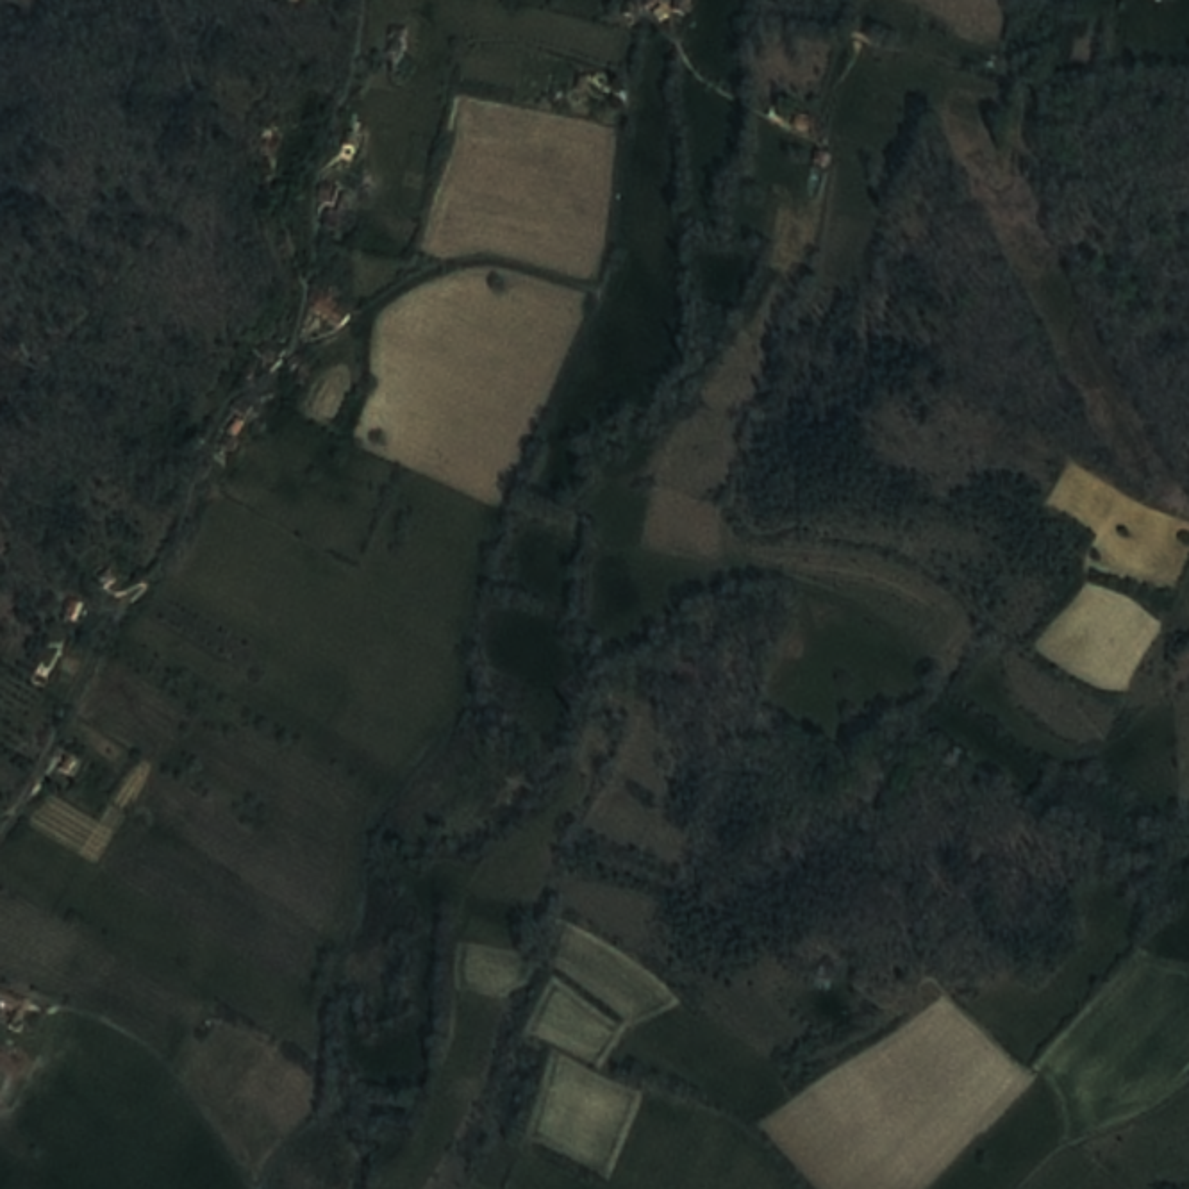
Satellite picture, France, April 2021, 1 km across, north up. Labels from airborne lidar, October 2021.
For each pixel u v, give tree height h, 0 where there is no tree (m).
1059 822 26
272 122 7
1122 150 23
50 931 0
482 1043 0
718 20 0
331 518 0
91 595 20
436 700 0
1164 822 17
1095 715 0
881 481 12
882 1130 0
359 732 0
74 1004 8
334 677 0
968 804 19
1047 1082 0
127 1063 0
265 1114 0
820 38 21
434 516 0
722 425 0
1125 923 0
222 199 17
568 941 0
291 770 0
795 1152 0
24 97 19
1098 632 0
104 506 9
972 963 21
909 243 18
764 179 0
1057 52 12
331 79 16
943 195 19
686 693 23
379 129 0
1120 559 0
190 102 16
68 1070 0
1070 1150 0
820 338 8
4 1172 0
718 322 5
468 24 0
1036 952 23
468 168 0
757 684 21
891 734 24
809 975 16
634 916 0
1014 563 8
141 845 0
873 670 0
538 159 0
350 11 19
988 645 22
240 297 20
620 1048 0
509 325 0
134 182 19
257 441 9
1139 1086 0
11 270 12
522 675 0
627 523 0
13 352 21
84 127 22
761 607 24
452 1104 0
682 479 0
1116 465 16
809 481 12
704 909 7
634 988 0
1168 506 0
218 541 0
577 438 12
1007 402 19
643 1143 0
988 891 26
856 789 21
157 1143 0
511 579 9
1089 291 21
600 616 0
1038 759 6
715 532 0
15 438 18
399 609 0
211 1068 0
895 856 16
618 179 0
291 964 0
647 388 0
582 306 0
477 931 0
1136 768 0
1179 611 0
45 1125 0
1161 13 0
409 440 0
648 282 0
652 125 0
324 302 0
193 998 0
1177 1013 0
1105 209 19
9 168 15
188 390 22
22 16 10
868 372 8
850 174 0
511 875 0
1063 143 23
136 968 0
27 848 0
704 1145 0
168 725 0
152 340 25
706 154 0
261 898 0
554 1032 0
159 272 21
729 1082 0
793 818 24
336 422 6
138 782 0
